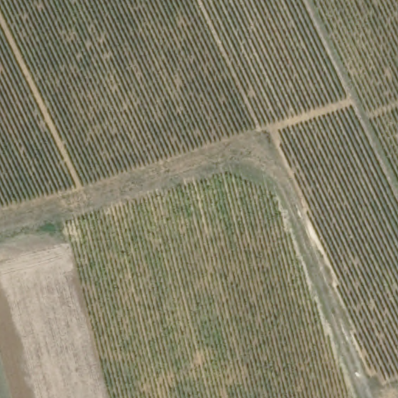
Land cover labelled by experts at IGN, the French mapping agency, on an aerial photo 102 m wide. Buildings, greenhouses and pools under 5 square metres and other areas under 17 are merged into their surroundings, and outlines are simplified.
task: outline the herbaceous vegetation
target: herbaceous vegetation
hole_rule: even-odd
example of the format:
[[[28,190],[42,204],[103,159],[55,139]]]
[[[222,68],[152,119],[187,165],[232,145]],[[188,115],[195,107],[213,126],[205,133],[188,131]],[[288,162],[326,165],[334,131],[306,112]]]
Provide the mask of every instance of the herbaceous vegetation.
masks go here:
[[[222,137],[221,140],[207,141],[202,146],[188,149],[187,152],[177,152],[155,162],[131,166],[96,182],[82,183],[82,190],[78,193],[59,190],[56,193],[40,194],[33,199],[23,199],[0,207],[0,266],[6,261],[14,260],[20,253],[42,252],[50,246],[59,244],[51,235],[61,232],[68,224],[78,227],[78,216],[84,213],[98,210],[101,213],[104,211],[106,215],[112,215],[115,208],[126,204],[126,201],[151,196],[154,193],[166,196],[168,191],[162,190],[163,185],[174,188],[177,183],[193,183],[224,173],[225,162],[252,163],[255,168],[261,169],[275,180],[281,190],[281,196],[275,197],[275,202],[283,218],[283,227],[285,232],[291,235],[295,255],[305,275],[306,286],[312,300],[316,302],[323,331],[330,337],[336,365],[344,372],[350,398],[356,398],[354,387],[365,381],[368,381],[370,390],[381,389],[381,384],[392,382],[393,389],[382,390],[381,398],[398,398],[398,373],[382,375],[379,370],[368,367],[365,361],[367,353],[364,348],[359,348],[358,340],[354,337],[356,328],[348,314],[344,298],[337,289],[333,264],[328,260],[328,253],[323,249],[306,215],[308,204],[295,176],[289,176],[285,166],[280,162],[269,131],[258,132],[252,127],[229,137]]]

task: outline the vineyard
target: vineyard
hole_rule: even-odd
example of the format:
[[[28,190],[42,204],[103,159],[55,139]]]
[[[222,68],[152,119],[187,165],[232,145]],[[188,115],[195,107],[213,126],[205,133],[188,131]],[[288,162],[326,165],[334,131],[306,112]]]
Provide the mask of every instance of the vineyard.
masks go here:
[[[258,132],[269,131],[280,162],[285,166],[289,176],[295,176],[308,204],[306,215],[323,249],[328,253],[328,260],[333,264],[337,289],[344,298],[348,314],[356,328],[354,337],[358,340],[359,348],[364,348],[367,353],[365,361],[368,367],[379,370],[382,375],[398,373],[398,0],[0,0],[0,207],[23,199],[33,199],[40,194],[56,193],[59,190],[78,193],[82,190],[82,183],[96,182],[131,166],[155,162],[177,152],[187,152],[188,149],[202,146],[207,141],[221,140],[222,137],[229,137],[252,127]]]
[[[283,227],[283,218],[275,202],[275,197],[281,196],[281,190],[275,180],[261,169],[255,168],[252,163],[225,162],[224,173],[193,183],[177,183],[174,188],[163,185],[162,190],[168,191],[166,196],[154,193],[151,196],[126,201],[126,204],[115,208],[112,215],[106,215],[104,211],[101,213],[98,210],[84,213],[78,216],[78,227],[68,224],[61,232],[51,235],[59,244],[64,243],[72,247],[73,266],[76,271],[73,274],[73,285],[78,292],[79,305],[86,314],[87,323],[92,331],[93,356],[98,359],[107,398],[350,398],[344,372],[336,365],[330,337],[323,331],[316,302],[312,300],[306,286],[305,275],[295,255],[291,235],[285,232]]]

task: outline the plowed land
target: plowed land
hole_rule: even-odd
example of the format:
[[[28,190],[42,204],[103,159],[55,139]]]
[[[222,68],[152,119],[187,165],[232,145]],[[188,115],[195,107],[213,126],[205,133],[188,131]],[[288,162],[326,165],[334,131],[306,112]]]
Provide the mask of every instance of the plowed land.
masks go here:
[[[78,292],[73,285],[73,274],[76,271],[73,266],[72,247],[64,243],[59,244],[50,246],[42,252],[20,253],[14,260],[6,261],[0,266],[0,398],[107,398],[98,359],[93,356],[92,331],[87,323],[86,314],[79,305]]]

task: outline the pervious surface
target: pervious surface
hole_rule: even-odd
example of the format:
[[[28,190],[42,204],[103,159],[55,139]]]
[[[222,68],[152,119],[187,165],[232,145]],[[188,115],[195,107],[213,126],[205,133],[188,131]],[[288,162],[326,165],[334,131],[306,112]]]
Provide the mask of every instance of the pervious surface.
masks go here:
[[[392,382],[381,384],[381,389],[370,390],[368,381],[365,381],[354,387],[356,398],[381,398],[382,390],[393,389]]]

